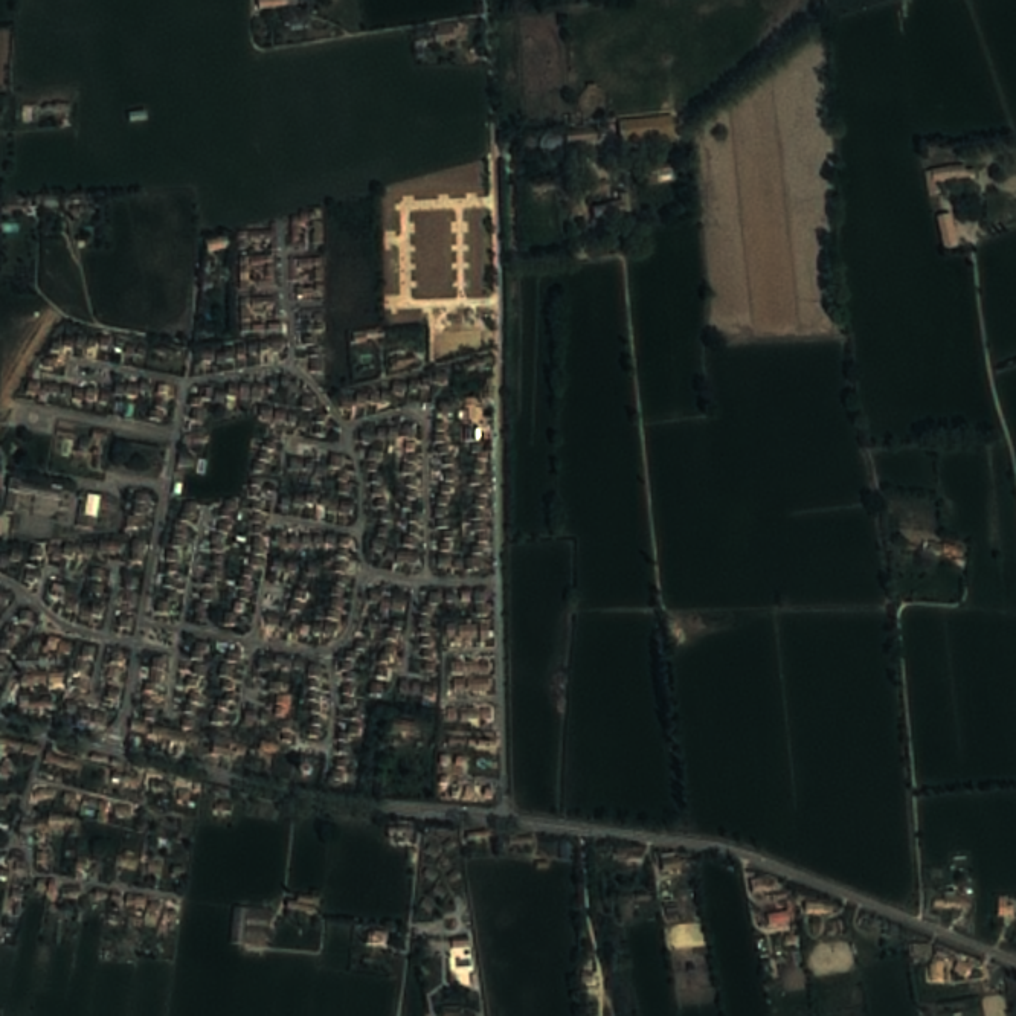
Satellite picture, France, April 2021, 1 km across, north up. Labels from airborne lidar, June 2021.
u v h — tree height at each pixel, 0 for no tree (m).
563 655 0
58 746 17
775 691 0
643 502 0
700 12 0
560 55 0
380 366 7
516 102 0
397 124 0
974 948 0
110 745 0
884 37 0
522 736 0
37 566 6
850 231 0
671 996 0
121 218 0
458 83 0
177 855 7
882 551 11
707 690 0
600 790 0
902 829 0
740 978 0
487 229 8
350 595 6
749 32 0
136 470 12
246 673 0
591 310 0
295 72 0
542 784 0
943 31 0
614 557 0
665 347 0
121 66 0
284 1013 0
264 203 0
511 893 0
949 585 0
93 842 9
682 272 0
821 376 0
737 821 0
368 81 0
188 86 0
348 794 16
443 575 8
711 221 0
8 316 0
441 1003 7
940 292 0
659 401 0
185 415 0
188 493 0
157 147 0
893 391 0
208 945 0
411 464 0
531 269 26
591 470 0
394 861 0
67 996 0
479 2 8
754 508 0
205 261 10
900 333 0
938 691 0
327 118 0
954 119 0
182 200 0
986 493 0
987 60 0
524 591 0
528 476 0
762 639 0
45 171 0
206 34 0
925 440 24
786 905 7
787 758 0
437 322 0
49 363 0
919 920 0
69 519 0
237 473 0
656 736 0
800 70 0
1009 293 0
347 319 0
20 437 11
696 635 0
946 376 0
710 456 0
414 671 7
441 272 0
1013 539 0
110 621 0
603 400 0
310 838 0
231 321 8
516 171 12
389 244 0
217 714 0
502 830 16
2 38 0
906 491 9
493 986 0
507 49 0
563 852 0
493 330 10
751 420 0
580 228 9
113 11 0
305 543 0
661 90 0
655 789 0
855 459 0
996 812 0
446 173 0
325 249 8
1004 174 12
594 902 10
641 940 0
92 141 0
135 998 0
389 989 0
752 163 0
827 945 0
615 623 0
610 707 0
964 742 0
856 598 0
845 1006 0
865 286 0
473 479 0
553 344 10
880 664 0
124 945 0
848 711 0
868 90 0
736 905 0
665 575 0
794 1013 0
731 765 0
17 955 0
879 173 0
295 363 0
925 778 0
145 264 0
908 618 0
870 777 0
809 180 0
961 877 11
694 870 14
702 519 0
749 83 24
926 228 0
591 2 15
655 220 17
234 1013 0
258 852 0
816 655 0
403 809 0
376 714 14
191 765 15
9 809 9
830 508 0
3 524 0
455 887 7
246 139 0
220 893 0
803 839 0
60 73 0
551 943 0
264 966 0
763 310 0
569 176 25
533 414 0
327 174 0
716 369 0
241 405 7
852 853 0
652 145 26
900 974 0
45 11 0
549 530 11
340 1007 0
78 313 0
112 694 0
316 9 6
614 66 0
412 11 0
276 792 16
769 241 0
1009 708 0
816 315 0
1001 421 0
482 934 0
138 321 0
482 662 0
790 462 0
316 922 10
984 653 0
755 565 0
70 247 0
